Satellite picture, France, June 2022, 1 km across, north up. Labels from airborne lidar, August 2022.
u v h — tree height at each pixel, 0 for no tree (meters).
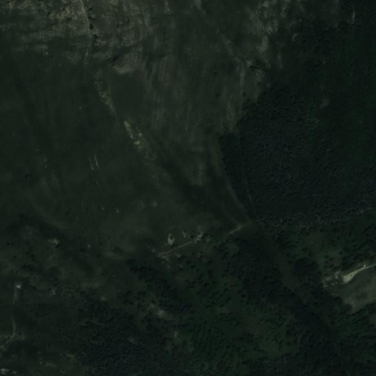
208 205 0
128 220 0
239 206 0
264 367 26
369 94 16
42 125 0
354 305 0
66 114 0
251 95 0
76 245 0
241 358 12
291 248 15
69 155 0
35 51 0
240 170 15
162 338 10
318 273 16
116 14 0
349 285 0
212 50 0
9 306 0
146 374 9
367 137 13
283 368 18
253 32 0
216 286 18
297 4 0
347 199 21
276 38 0
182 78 0
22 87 0
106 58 18
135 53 0
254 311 9
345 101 14
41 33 0
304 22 13
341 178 26
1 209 0
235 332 0
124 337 8
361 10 17
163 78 0
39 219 0
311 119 12
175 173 0
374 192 24
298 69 0
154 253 0
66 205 0
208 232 0
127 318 15
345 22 9
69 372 0
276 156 26
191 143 0
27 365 0
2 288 0
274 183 21
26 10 0
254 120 15
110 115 0
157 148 0
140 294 13
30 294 0
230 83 0
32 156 0
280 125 26
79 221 0
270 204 23
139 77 0
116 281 0
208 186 0
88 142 0
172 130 0
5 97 0
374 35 14
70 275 0
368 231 12
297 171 28
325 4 0
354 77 15
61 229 0
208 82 0
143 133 0
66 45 0
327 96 11
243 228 0
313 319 33
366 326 13
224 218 0
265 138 27
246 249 18
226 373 8
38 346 0
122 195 0
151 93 0
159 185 0
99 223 0
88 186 0
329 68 11
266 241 7
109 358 23
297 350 0
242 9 0
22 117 0
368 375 23
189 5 0
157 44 0
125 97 0
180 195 0
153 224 0
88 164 0
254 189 18
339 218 18
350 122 13
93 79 0
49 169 0
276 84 10
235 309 0
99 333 11
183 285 0
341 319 13
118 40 0
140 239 0
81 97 0
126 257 0
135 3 0
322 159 24
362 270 0
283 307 17
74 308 0
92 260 0
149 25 0
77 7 0
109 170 0
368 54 15
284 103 20
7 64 0
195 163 0
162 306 17
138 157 0
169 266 0
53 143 0
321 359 25
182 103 0
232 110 0
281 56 0
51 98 0
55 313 0
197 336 16
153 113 0
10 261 0
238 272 13
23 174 0
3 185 0
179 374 10
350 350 17
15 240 0
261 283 20
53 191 0
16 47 0
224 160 13
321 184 22
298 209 26
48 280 0
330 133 16
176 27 0
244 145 17
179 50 0
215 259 0
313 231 13
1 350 0
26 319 0
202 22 0
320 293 16
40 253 0
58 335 0
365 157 16
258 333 0
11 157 0
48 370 0
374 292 0
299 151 21
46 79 0
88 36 0
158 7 0
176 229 0
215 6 0
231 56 0
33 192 0
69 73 0
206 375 18
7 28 0
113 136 0
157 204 0
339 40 14
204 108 0
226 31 0
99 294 0
